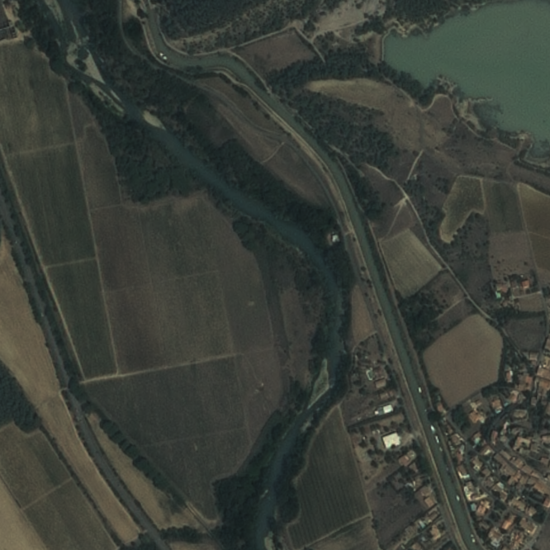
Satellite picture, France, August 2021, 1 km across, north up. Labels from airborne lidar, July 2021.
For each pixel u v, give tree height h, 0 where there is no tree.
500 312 6
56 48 16
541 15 0
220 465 0
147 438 0
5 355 0
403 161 0
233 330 0
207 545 0
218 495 9
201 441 0
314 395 0
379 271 7
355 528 0
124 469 0
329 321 16
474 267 0
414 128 0
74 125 0
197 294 0
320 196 0
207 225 0
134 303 0
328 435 0
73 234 0
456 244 8
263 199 13
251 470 6
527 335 0
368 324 0
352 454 0
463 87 0
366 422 7
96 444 0
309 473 0
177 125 8
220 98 0
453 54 0
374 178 0
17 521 0
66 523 0
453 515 0
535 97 0
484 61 0
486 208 0
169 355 0
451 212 0
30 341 0
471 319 0
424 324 12
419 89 13
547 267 0
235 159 15
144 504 0
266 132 0
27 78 0
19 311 0
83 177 0
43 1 0
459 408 14
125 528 0
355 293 0
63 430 0
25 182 0
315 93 5
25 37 10
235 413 0
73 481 0
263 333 0
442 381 0
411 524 7
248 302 0
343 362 10
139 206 0
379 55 0
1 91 0
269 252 7
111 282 0
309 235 17
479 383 0
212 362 0
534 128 0
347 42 0
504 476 9
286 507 12
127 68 10
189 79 11
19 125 0
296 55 0
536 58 0
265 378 0
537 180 0
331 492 0
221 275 0
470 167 0
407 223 0
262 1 9
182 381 0
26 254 9
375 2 0
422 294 8
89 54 0
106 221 0
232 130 0
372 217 16
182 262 0
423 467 16
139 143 11
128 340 0
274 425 5
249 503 22
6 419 18
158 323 0
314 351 8
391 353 0
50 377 0
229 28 7
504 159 0
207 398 0
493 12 0
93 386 0
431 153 0
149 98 9
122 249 0
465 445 7
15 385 13
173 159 10
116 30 17
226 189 0
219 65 0
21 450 0
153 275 0
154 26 0
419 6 12
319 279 22
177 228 0
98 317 0
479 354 0
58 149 0
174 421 0
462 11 0
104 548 0
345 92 0
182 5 13
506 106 0
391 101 0
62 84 0
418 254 0
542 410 8
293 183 0
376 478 0
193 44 6
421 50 0
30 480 0
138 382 0
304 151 0
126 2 0
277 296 5
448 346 0
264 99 0
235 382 0
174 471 0
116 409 0
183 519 0
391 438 0
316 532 0
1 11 0
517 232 0
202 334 0
